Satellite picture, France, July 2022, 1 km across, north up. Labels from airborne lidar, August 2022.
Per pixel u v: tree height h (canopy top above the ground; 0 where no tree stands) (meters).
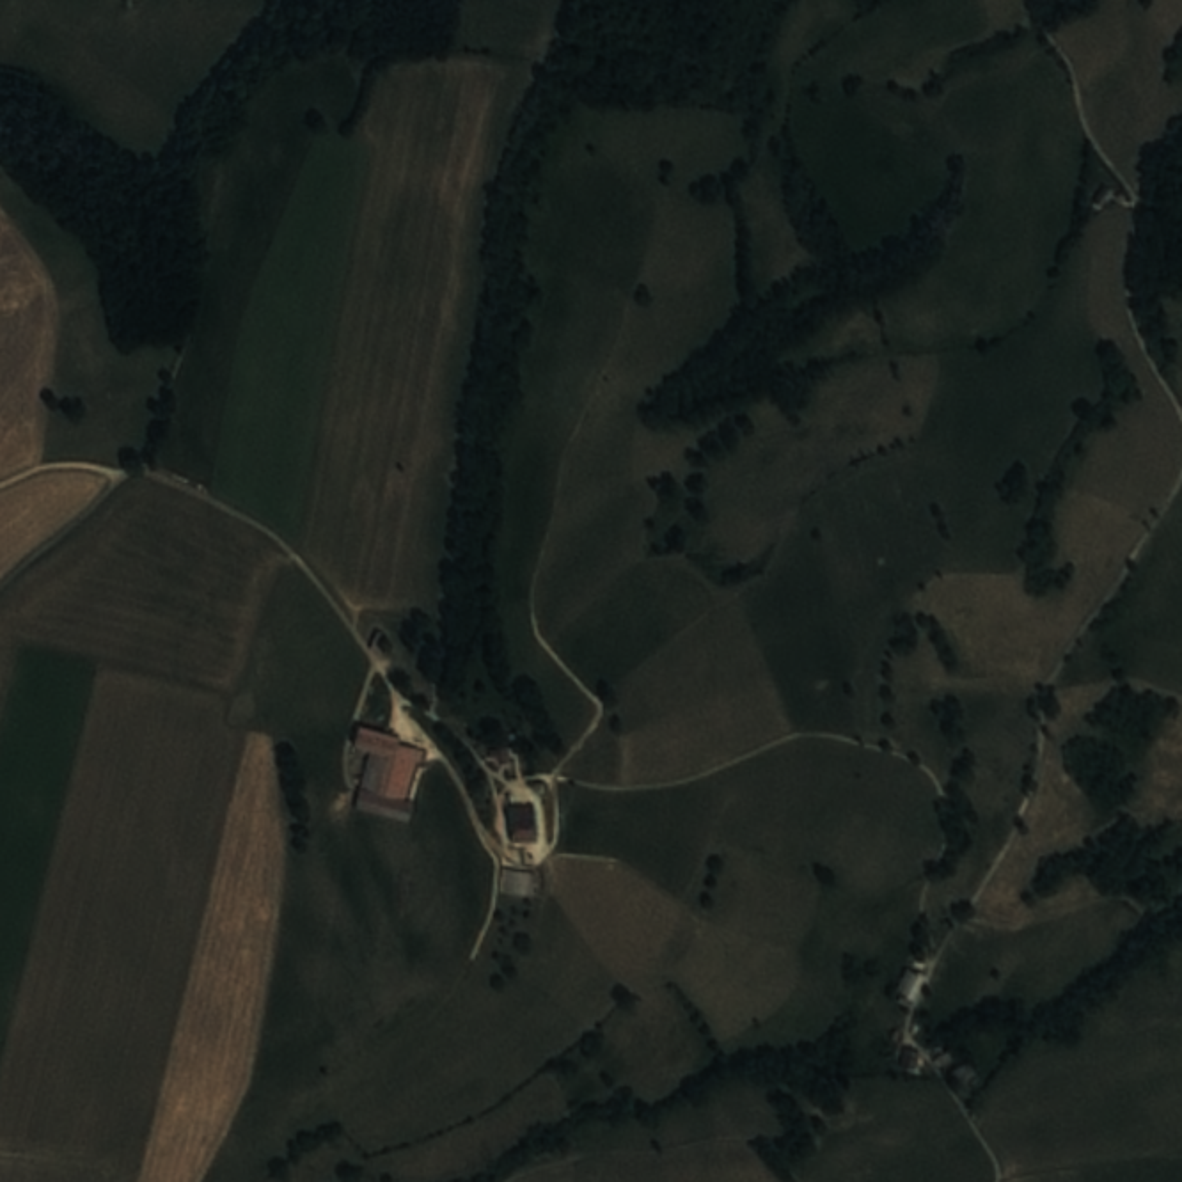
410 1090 0
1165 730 0
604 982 0
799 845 0
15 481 0
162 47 0
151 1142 0
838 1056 15
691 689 0
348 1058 0
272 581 0
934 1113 0
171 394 15
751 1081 22
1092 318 0
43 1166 0
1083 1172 0
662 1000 0
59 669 0
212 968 0
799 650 0
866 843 0
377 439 0
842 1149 0
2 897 0
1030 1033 25
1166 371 9
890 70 0
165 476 0
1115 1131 0
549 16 0
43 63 0
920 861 0
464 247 0
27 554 0
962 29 0
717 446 24
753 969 0
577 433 0
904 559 0
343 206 0
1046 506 8
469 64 0
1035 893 9
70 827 0
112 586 0
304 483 0
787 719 0
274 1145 0
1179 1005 0
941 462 0
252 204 0
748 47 6
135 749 0
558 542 0
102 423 0
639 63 28
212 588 0
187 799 0
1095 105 0
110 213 18
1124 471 0
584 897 0
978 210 0
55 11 0
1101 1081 0
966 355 0
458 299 0
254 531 0
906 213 0
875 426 0
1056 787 0
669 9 9
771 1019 0
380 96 0
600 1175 0
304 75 0
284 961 0
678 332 0
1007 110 0
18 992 0
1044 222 0
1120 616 10
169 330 18
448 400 0
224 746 0
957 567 0
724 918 0
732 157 0
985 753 0
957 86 0
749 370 27
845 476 0
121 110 0
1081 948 0
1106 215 0
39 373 0
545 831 0
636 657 0
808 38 0
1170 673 0
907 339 0
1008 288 0
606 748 0
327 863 0
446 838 0
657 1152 8
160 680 0
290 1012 0
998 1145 0
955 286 0
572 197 0
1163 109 0
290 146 0
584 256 0
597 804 0
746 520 0
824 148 0
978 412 0
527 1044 0
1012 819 0
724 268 0
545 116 22
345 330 0
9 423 0
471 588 26
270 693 0
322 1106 0
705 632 0
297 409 0
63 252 0
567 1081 0
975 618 0
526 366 0
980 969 0
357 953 0
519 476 0
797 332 22
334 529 0
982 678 0
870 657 0
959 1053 7
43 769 0
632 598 0
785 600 0
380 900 0
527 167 21
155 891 0
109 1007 0
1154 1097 0
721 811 0
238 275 0
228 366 0
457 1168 0
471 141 0
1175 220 19
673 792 0
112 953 0
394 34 21
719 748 0
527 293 23
